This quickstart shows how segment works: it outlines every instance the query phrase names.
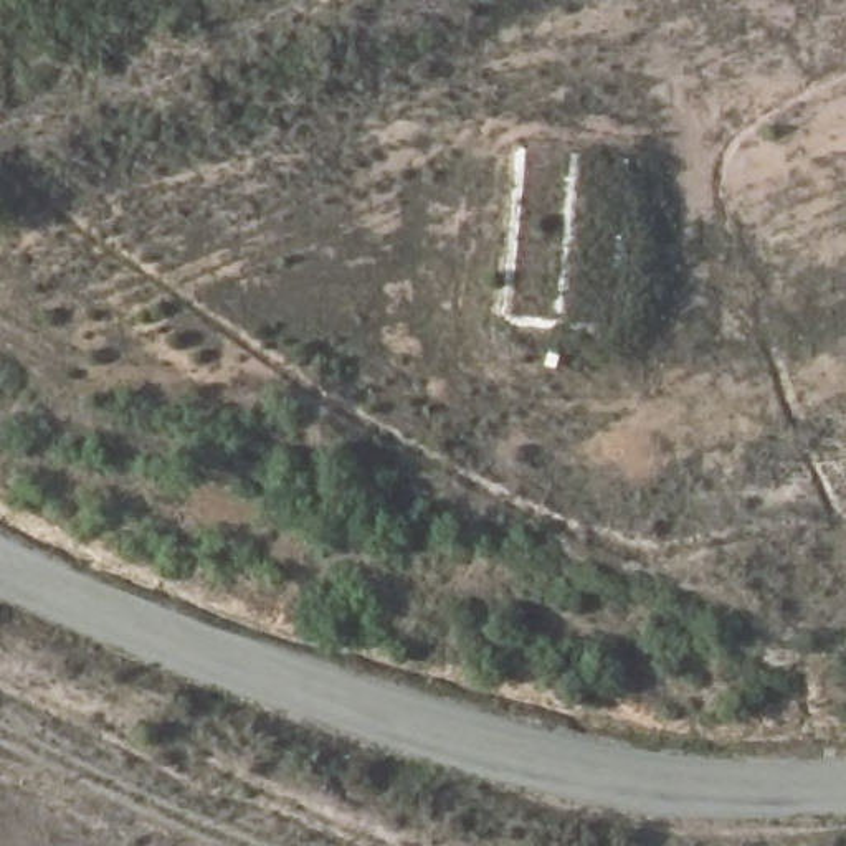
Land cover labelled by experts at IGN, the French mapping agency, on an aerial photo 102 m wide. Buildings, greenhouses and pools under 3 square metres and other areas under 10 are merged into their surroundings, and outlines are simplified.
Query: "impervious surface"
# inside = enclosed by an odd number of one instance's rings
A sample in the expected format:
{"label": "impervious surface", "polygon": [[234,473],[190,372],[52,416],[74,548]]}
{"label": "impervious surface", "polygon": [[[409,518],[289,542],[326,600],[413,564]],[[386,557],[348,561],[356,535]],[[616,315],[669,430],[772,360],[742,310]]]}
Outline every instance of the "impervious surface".
{"label": "impervious surface", "polygon": [[73,628],[86,638],[96,638],[99,644],[122,648],[132,661],[159,664],[162,671],[175,671],[192,684],[228,691],[238,701],[258,704],[268,714],[281,714],[294,724],[311,724],[327,734],[350,737],[364,747],[380,747],[393,757],[430,760],[509,790],[519,787],[529,800],[555,810],[592,810],[595,816],[605,810],[618,810],[638,823],[671,816],[846,813],[846,753],[823,750],[820,760],[720,760],[674,750],[638,750],[631,744],[608,737],[582,737],[565,727],[545,730],[535,717],[486,714],[473,704],[430,697],[406,684],[367,677],[330,661],[317,661],[307,654],[291,654],[251,638],[218,631],[155,601],[93,582],[56,558],[30,552],[20,542],[0,535],[0,601],[33,611],[53,625]]}
{"label": "impervious surface", "polygon": [[572,278],[578,159],[572,155],[565,172],[562,271],[549,314],[516,314],[512,288],[499,288],[492,304],[492,311],[512,327],[552,330],[555,324],[562,324]]}
{"label": "impervious surface", "polygon": [[516,271],[519,258],[525,149],[519,149],[512,152],[502,271]]}

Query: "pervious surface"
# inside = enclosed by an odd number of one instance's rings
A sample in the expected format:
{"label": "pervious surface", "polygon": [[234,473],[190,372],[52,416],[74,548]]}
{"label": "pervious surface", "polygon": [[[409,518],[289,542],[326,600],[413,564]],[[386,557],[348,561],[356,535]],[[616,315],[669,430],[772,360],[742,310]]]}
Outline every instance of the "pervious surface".
{"label": "pervious surface", "polygon": [[489,69],[502,73],[512,66],[568,63],[572,50],[542,46],[489,59]]}
{"label": "pervious surface", "polygon": [[208,763],[218,770],[231,770],[248,787],[258,787],[258,796],[261,810],[297,820],[307,829],[334,833],[337,839],[350,839],[357,846],[433,846],[430,833],[423,829],[393,829],[373,813],[344,810],[330,793],[301,790],[274,777],[261,777],[251,770],[248,760],[235,753],[212,753]]}
{"label": "pervious surface", "polygon": [[466,479],[499,496],[502,502],[549,522],[562,522],[572,532],[582,529],[582,519],[575,519],[572,512],[549,509],[539,499],[519,496],[519,489],[492,482],[473,466],[459,466]]}
{"label": "pervious surface", "polygon": [[416,350],[420,350],[420,340],[406,334],[406,327],[387,327],[387,330],[383,330],[383,344],[390,347],[390,350],[400,350],[400,354],[416,354]]}
{"label": "pervious surface", "polygon": [[664,400],[641,400],[635,393],[618,400],[592,400],[588,413],[628,410],[631,416],[585,440],[588,463],[615,463],[625,479],[651,479],[668,463],[701,456],[704,469],[720,469],[724,476],[734,476],[744,466],[747,443],[760,436],[760,423],[753,420],[760,413],[777,416],[780,410],[767,377],[747,383],[747,364],[730,360],[691,377]]}
{"label": "pervious surface", "polygon": [[69,681],[56,687],[33,687],[33,661],[0,658],[0,691],[30,701],[33,707],[43,707],[63,720],[73,720],[89,737],[102,740],[106,747],[122,747],[126,753],[145,760],[155,750],[145,740],[142,720],[159,720],[172,701],[169,694],[132,687],[122,704],[109,704],[102,697],[79,691],[73,681]]}
{"label": "pervious surface", "polygon": [[803,489],[810,489],[810,479],[793,476],[783,486],[744,486],[744,496],[763,499],[767,506],[793,502]]}
{"label": "pervious surface", "polygon": [[[833,73],[820,83],[803,79],[796,69],[773,76],[747,76],[740,89],[714,89],[707,93],[707,99],[687,102],[684,89],[694,86],[694,76],[684,76],[684,59],[677,59],[671,46],[651,43],[644,76],[654,76],[651,93],[664,102],[668,129],[674,132],[674,149],[684,162],[684,172],[677,178],[687,205],[684,238],[694,238],[697,225],[707,221],[714,162],[724,165],[720,178],[727,212],[737,212],[747,225],[753,225],[767,212],[767,195],[783,188],[783,182],[790,178],[783,149],[770,142],[770,126],[796,102],[806,102],[806,116],[813,119],[806,149],[813,149],[816,155],[846,152],[846,73]],[[740,109],[740,129],[734,132],[730,145],[711,145],[707,132],[717,129],[717,119],[727,109]]]}
{"label": "pervious surface", "polygon": [[0,519],[79,558],[89,558],[102,572],[126,575],[139,585],[162,588],[198,608],[297,641],[301,631],[288,618],[254,611],[228,595],[208,592],[192,582],[165,578],[149,565],[129,562],[99,542],[79,542],[63,525],[13,509],[0,499]]}
{"label": "pervious surface", "polygon": [[598,535],[615,545],[641,552],[658,549],[658,539],[635,535],[615,525],[598,525]]}
{"label": "pervious surface", "polygon": [[397,426],[390,416],[357,406],[360,423],[390,433],[393,440],[403,436],[403,426]]}
{"label": "pervious surface", "polygon": [[810,364],[790,364],[787,357],[777,357],[787,403],[800,420],[806,420],[810,410],[829,400],[833,393],[846,393],[846,360],[820,354]]}
{"label": "pervious surface", "polygon": [[635,0],[598,0],[595,7],[585,7],[578,13],[549,10],[539,20],[535,33],[598,33],[605,40],[618,40],[631,33],[625,10],[635,7]]}
{"label": "pervious surface", "polygon": [[387,155],[370,169],[373,178],[390,175],[393,188],[357,202],[354,212],[377,235],[397,231],[403,169],[416,169],[426,162],[420,149]]}
{"label": "pervious surface", "polygon": [[175,271],[162,271],[155,261],[145,261],[139,248],[126,248],[122,235],[112,235],[109,245],[119,258],[135,261],[142,274],[169,284],[182,301],[188,301],[218,327],[225,327],[221,360],[198,364],[188,350],[178,350],[165,340],[159,321],[132,327],[129,337],[135,344],[142,344],[159,360],[175,364],[185,380],[195,383],[218,383],[238,373],[291,373],[297,383],[311,387],[321,370],[317,357],[311,364],[297,364],[294,357],[268,347],[245,324],[231,321],[198,294],[202,288],[235,278],[241,271],[238,261],[228,261],[228,251],[212,251]]}

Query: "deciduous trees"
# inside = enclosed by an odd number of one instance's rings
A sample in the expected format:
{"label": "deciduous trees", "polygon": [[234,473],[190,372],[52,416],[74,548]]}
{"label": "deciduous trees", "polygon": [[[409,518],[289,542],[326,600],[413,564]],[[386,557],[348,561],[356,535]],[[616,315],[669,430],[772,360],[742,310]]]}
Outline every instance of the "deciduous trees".
{"label": "deciduous trees", "polygon": [[145,50],[149,36],[205,36],[208,43],[225,40],[228,26],[221,17],[212,17],[205,0],[0,0],[0,102],[7,109],[30,106],[40,93],[50,93],[59,83],[63,63],[69,59],[89,69],[106,66],[106,73],[116,76],[135,53]]}
{"label": "deciduous trees", "polygon": [[[307,555],[301,555],[301,562],[291,562],[271,552],[278,535],[297,532],[307,542],[330,545],[334,552],[387,552],[387,562],[380,565],[383,572],[413,578],[410,605],[400,618],[400,628],[420,641],[436,644],[430,664],[469,668],[479,681],[489,684],[506,684],[492,668],[489,654],[499,641],[499,621],[512,621],[512,601],[545,605],[562,618],[565,611],[582,611],[585,592],[598,595],[601,608],[608,611],[628,611],[631,605],[644,605],[651,611],[651,625],[638,625],[635,638],[578,635],[575,628],[568,628],[562,641],[532,641],[532,651],[525,658],[532,677],[525,684],[549,687],[572,704],[638,704],[654,684],[681,677],[677,661],[684,654],[701,654],[704,661],[711,661],[727,651],[724,681],[730,694],[737,694],[737,724],[744,724],[783,714],[793,697],[806,691],[806,677],[803,671],[773,668],[763,661],[770,631],[753,621],[750,611],[727,608],[697,592],[684,592],[674,575],[621,572],[608,562],[592,568],[588,562],[568,558],[558,539],[535,545],[516,525],[506,539],[482,535],[476,542],[476,555],[489,558],[486,575],[473,595],[463,595],[453,575],[459,565],[473,562],[473,555],[456,545],[453,516],[440,516],[430,525],[430,542],[423,552],[416,552],[413,558],[400,555],[403,532],[390,522],[383,509],[367,502],[364,489],[357,489],[350,476],[350,459],[340,456],[340,446],[307,446],[304,423],[291,416],[281,426],[271,426],[264,420],[264,410],[225,400],[218,383],[195,383],[185,397],[169,397],[162,406],[152,406],[142,397],[135,397],[135,387],[112,387],[93,393],[96,430],[83,430],[63,420],[63,436],[36,456],[26,456],[30,443],[23,440],[23,426],[17,420],[0,426],[0,499],[13,509],[63,525],[79,542],[99,542],[129,562],[149,565],[165,578],[192,582],[208,592],[228,595],[238,575],[271,575],[281,585],[294,582],[301,585],[301,598],[288,618],[301,631],[297,641],[311,648],[307,654],[317,661],[330,661],[344,648],[334,625],[347,615],[360,618],[364,648],[387,648],[393,658],[403,658],[403,648],[397,648],[380,628],[377,598],[357,575],[360,565],[337,565],[327,578],[317,578],[317,565]],[[135,459],[126,473],[106,466],[96,433],[126,436],[126,443],[135,449]],[[36,469],[66,469],[73,489],[53,502],[30,482]],[[185,516],[192,489],[205,482],[231,486],[238,496],[258,499],[261,509],[274,512],[278,532],[258,535],[248,525],[231,522],[198,525],[195,532],[185,532],[178,519]],[[99,512],[109,502],[109,489],[142,496],[149,506],[145,516],[126,519],[119,529],[109,529],[109,522]]]}

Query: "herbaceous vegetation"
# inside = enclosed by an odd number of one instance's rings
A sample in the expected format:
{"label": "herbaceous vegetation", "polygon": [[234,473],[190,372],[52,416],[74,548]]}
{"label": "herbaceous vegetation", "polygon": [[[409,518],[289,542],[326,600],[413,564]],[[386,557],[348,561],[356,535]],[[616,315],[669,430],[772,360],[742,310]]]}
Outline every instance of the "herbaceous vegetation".
{"label": "herbaceous vegetation", "polygon": [[13,638],[7,628],[0,628],[0,658],[33,661],[33,687],[56,687],[69,681],[63,671],[63,658],[56,651],[33,651],[23,638]]}
{"label": "herbaceous vegetation", "polygon": [[198,608],[162,588],[139,585],[126,575],[102,572],[89,558],[79,558],[0,519],[0,535],[20,542],[30,552],[56,558],[93,582],[155,601],[218,631],[251,638],[291,654],[307,654],[311,648],[297,641]]}
{"label": "herbaceous vegetation", "polygon": [[258,499],[238,496],[231,486],[205,482],[192,489],[185,516],[178,519],[185,532],[195,532],[198,525],[231,522],[248,525],[258,535],[278,532],[274,512],[261,509]]}
{"label": "herbaceous vegetation", "polygon": [[69,59],[63,63],[59,83],[50,93],[40,93],[30,106],[7,109],[0,102],[0,152],[23,145],[33,162],[43,155],[43,149],[53,149],[66,159],[66,139],[99,122],[99,106],[116,106],[129,99],[145,99],[159,112],[172,109],[175,102],[185,102],[205,135],[215,132],[212,99],[202,86],[202,66],[212,59],[208,43],[205,36],[149,36],[145,50],[135,53],[116,76],[106,73],[106,66],[89,69]]}
{"label": "herbaceous vegetation", "polygon": [[304,26],[357,26],[354,10],[367,0],[205,0],[212,17],[221,17],[228,26],[235,26],[238,36],[245,36],[248,59],[258,59],[261,30],[271,33],[271,46],[284,46],[288,33],[301,33]]}
{"label": "herbaceous vegetation", "polygon": [[132,687],[99,671],[79,674],[73,681],[79,691],[102,697],[109,704],[122,704]]}
{"label": "herbaceous vegetation", "polygon": [[717,129],[707,132],[711,145],[730,145],[734,132],[740,129],[740,109],[727,109],[717,119]]}
{"label": "herbaceous vegetation", "polygon": [[[142,274],[135,261],[119,258],[109,245],[112,235],[122,235],[126,248],[139,248],[145,261],[155,261],[162,271],[175,271],[212,251],[228,251],[228,261],[238,261],[241,271],[235,278],[202,288],[198,294],[231,321],[245,324],[268,347],[294,357],[297,364],[311,364],[317,357],[321,370],[311,387],[297,383],[291,373],[238,373],[218,383],[225,400],[264,410],[264,420],[271,426],[281,426],[291,416],[304,423],[307,446],[340,446],[340,456],[350,459],[350,476],[357,489],[364,489],[367,502],[383,509],[390,522],[403,532],[400,555],[413,558],[416,552],[423,552],[430,542],[430,525],[440,516],[453,516],[456,545],[473,555],[473,562],[459,565],[453,575],[463,595],[473,595],[486,575],[489,558],[476,555],[476,542],[482,535],[506,539],[516,525],[535,545],[558,539],[568,558],[588,562],[592,568],[608,562],[621,572],[674,575],[684,592],[697,592],[727,608],[750,611],[753,621],[770,631],[763,661],[773,668],[803,671],[806,677],[806,691],[793,697],[783,714],[744,724],[737,724],[737,694],[730,694],[724,681],[727,651],[711,661],[704,661],[701,654],[684,654],[677,661],[681,677],[654,684],[638,704],[572,704],[549,687],[525,684],[532,677],[525,658],[532,651],[532,641],[562,641],[568,628],[575,628],[578,635],[635,638],[638,625],[651,625],[651,611],[644,605],[631,605],[628,611],[608,611],[601,608],[598,595],[585,592],[582,611],[565,611],[562,618],[545,605],[512,601],[512,621],[499,621],[499,641],[489,654],[492,668],[506,684],[489,684],[479,681],[469,668],[430,664],[436,644],[420,641],[400,628],[400,618],[410,605],[413,578],[383,572],[380,565],[387,562],[387,552],[334,552],[330,545],[307,542],[297,532],[278,535],[271,552],[291,562],[301,562],[301,555],[307,555],[317,565],[317,578],[327,578],[337,565],[360,565],[357,575],[377,598],[380,628],[397,648],[403,648],[403,658],[393,658],[387,648],[364,648],[360,618],[347,615],[334,625],[344,648],[330,661],[367,677],[406,684],[430,697],[473,704],[486,714],[535,717],[545,730],[565,727],[582,737],[608,737],[631,744],[638,750],[674,750],[720,760],[820,760],[823,750],[846,753],[846,393],[833,393],[829,400],[810,410],[806,420],[800,420],[787,403],[777,357],[787,357],[790,364],[810,364],[820,354],[846,360],[846,152],[816,155],[813,149],[806,149],[813,119],[806,116],[806,102],[796,102],[770,126],[770,142],[783,149],[790,178],[783,182],[783,188],[767,195],[767,212],[753,225],[747,225],[737,212],[727,212],[720,178],[724,165],[714,162],[707,221],[711,258],[694,268],[694,297],[677,307],[671,327],[674,344],[661,350],[654,360],[631,367],[611,364],[585,377],[558,360],[558,337],[552,330],[512,327],[492,311],[492,304],[499,288],[512,288],[516,314],[549,314],[562,271],[565,172],[572,155],[578,159],[588,145],[635,145],[644,135],[674,149],[674,132],[668,129],[664,102],[651,93],[654,76],[644,76],[651,43],[671,46],[677,59],[684,59],[684,76],[694,76],[694,86],[684,89],[687,102],[707,99],[707,93],[714,89],[740,89],[747,76],[773,76],[796,69],[803,79],[820,83],[833,73],[846,73],[846,0],[635,0],[635,7],[625,10],[631,33],[618,40],[605,40],[598,33],[535,33],[539,20],[525,13],[512,26],[486,40],[476,56],[453,56],[453,63],[430,59],[430,53],[420,53],[420,59],[410,66],[400,59],[383,59],[380,96],[373,102],[360,142],[364,152],[383,145],[387,155],[420,149],[426,162],[416,169],[403,169],[397,231],[377,235],[354,212],[357,202],[393,188],[390,175],[373,178],[370,169],[357,172],[340,185],[281,188],[274,185],[278,172],[294,172],[294,162],[304,162],[307,149],[304,142],[297,142],[281,152],[274,145],[278,126],[268,126],[264,135],[235,149],[228,162],[202,162],[172,175],[152,175],[145,165],[135,162],[135,178],[122,182],[112,192],[93,185],[73,205],[69,221],[43,225],[36,231],[0,231],[0,354],[10,354],[26,367],[30,383],[43,393],[43,403],[50,406],[46,413],[33,413],[33,403],[20,397],[0,403],[0,426],[17,420],[23,426],[23,440],[30,443],[26,456],[36,456],[63,436],[63,420],[83,430],[96,430],[93,393],[112,387],[135,387],[135,397],[142,397],[152,406],[162,406],[169,397],[185,397],[195,383],[185,380],[175,364],[159,360],[142,344],[135,344],[129,337],[132,327],[159,321],[165,340],[178,350],[188,350],[198,364],[221,360],[225,327],[218,327],[188,301],[182,301],[169,284]],[[489,69],[489,59],[542,46],[572,50],[568,63],[512,66],[502,73]],[[512,152],[519,149],[525,149],[519,258],[516,271],[502,271]],[[387,327],[406,327],[406,334],[420,340],[420,350],[416,350],[416,354],[400,354],[400,350],[390,350],[390,347],[383,344],[383,330],[387,330]],[[744,466],[734,476],[724,476],[720,469],[704,469],[701,456],[668,463],[651,479],[625,479],[615,463],[588,463],[585,440],[631,416],[628,410],[588,413],[592,400],[618,400],[635,393],[641,400],[664,400],[691,377],[730,360],[747,364],[747,383],[767,377],[780,410],[777,416],[760,413],[753,420],[760,423],[760,436],[747,443]],[[393,440],[390,433],[360,423],[357,406],[390,416],[397,426],[403,426],[403,436]],[[582,519],[582,529],[572,532],[562,522],[549,522],[502,502],[499,496],[466,479],[459,466],[473,466],[492,482],[519,489],[519,496],[539,499],[549,509],[572,512],[575,519]],[[810,479],[810,489],[803,489],[793,502],[767,506],[763,499],[744,496],[744,486],[783,486],[793,476]],[[615,525],[635,535],[658,539],[658,549],[641,552],[615,545],[598,535],[598,525]]]}
{"label": "herbaceous vegetation", "polygon": [[96,433],[106,466],[126,473],[135,459],[135,449],[126,443],[126,436]]}
{"label": "herbaceous vegetation", "polygon": [[73,489],[66,469],[36,469],[30,482],[53,502]]}
{"label": "herbaceous vegetation", "polygon": [[301,598],[301,585],[294,582],[281,585],[271,575],[238,575],[228,595],[254,611],[288,618]]}
{"label": "herbaceous vegetation", "polygon": [[145,516],[149,506],[142,496],[109,489],[109,502],[99,512],[109,522],[109,529],[119,529],[126,519]]}
{"label": "herbaceous vegetation", "polygon": [[106,747],[102,740],[89,737],[73,720],[63,720],[43,707],[33,707],[30,701],[0,691],[0,846],[357,846],[350,839],[337,839],[334,833],[307,829],[297,820],[261,810],[258,796],[245,796],[241,790],[235,790],[231,800],[248,806],[248,813],[235,823],[225,823],[218,816],[205,816],[192,806],[182,806],[175,796],[159,796],[149,787],[135,787],[135,777],[126,770],[126,753],[122,747]]}

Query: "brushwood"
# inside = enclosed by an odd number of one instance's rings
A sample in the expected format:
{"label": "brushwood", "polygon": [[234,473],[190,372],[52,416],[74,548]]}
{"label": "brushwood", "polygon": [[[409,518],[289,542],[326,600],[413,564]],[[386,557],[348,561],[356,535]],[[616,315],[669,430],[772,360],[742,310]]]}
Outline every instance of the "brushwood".
{"label": "brushwood", "polygon": [[235,823],[248,813],[248,806],[231,800],[235,790],[241,790],[245,796],[258,796],[258,787],[248,787],[231,770],[218,770],[208,763],[212,753],[235,753],[248,760],[251,770],[261,777],[274,777],[301,790],[330,793],[344,810],[373,813],[393,829],[423,829],[430,833],[433,846],[846,846],[846,813],[671,816],[638,823],[618,810],[605,810],[595,816],[592,810],[555,810],[529,800],[519,787],[509,790],[430,760],[393,757],[380,747],[364,747],[350,737],[327,734],[311,724],[294,724],[281,714],[268,714],[258,704],[238,701],[228,691],[192,684],[175,671],[162,671],[159,664],[132,661],[122,648],[99,644],[96,638],[86,638],[73,628],[53,625],[33,611],[0,601],[0,628],[7,628],[13,638],[23,638],[33,651],[56,651],[63,658],[63,671],[69,681],[73,681],[79,674],[99,671],[132,687],[169,694],[172,701],[159,720],[142,720],[145,740],[155,750],[145,760],[126,753],[126,770],[135,777],[135,787],[149,787],[159,796],[175,796],[182,806],[192,806],[205,816],[218,816],[225,823]]}
{"label": "brushwood", "polygon": [[654,360],[661,350],[674,344],[671,327],[677,307],[694,297],[694,268],[711,258],[707,221],[697,225],[694,238],[684,238],[687,205],[677,178],[684,172],[684,162],[674,149],[644,135],[635,145],[588,145],[578,159],[572,278],[562,324],[555,324],[552,330],[558,337],[558,360],[585,377],[611,364],[631,367]]}
{"label": "brushwood", "polygon": [[297,142],[304,142],[307,149],[304,162],[294,162],[294,172],[278,172],[274,185],[281,188],[340,185],[357,172],[370,169],[387,155],[383,145],[364,152],[360,142],[373,102],[380,96],[383,59],[400,59],[410,66],[420,59],[420,53],[430,53],[430,59],[453,63],[453,56],[476,56],[486,40],[512,26],[525,13],[539,20],[549,10],[578,13],[585,7],[595,7],[598,0],[367,0],[354,10],[357,26],[304,26],[301,33],[288,33],[284,46],[271,46],[271,33],[261,30],[258,59],[248,59],[245,36],[238,36],[235,26],[228,26],[225,40],[208,43],[212,59],[202,66],[202,86],[212,99],[215,132],[205,135],[185,102],[175,102],[172,109],[159,112],[145,99],[129,99],[116,106],[99,106],[99,122],[66,139],[66,159],[53,149],[43,149],[43,155],[33,162],[23,145],[0,152],[0,231],[36,231],[43,225],[69,221],[73,205],[93,185],[112,192],[122,182],[135,178],[135,162],[145,165],[152,175],[172,175],[202,162],[228,162],[235,149],[264,135],[268,126],[278,126],[274,145],[281,152]]}
{"label": "brushwood", "polygon": [[20,397],[33,403],[33,413],[46,413],[50,406],[43,403],[43,393],[30,383],[26,367],[10,354],[0,354],[0,403]]}

